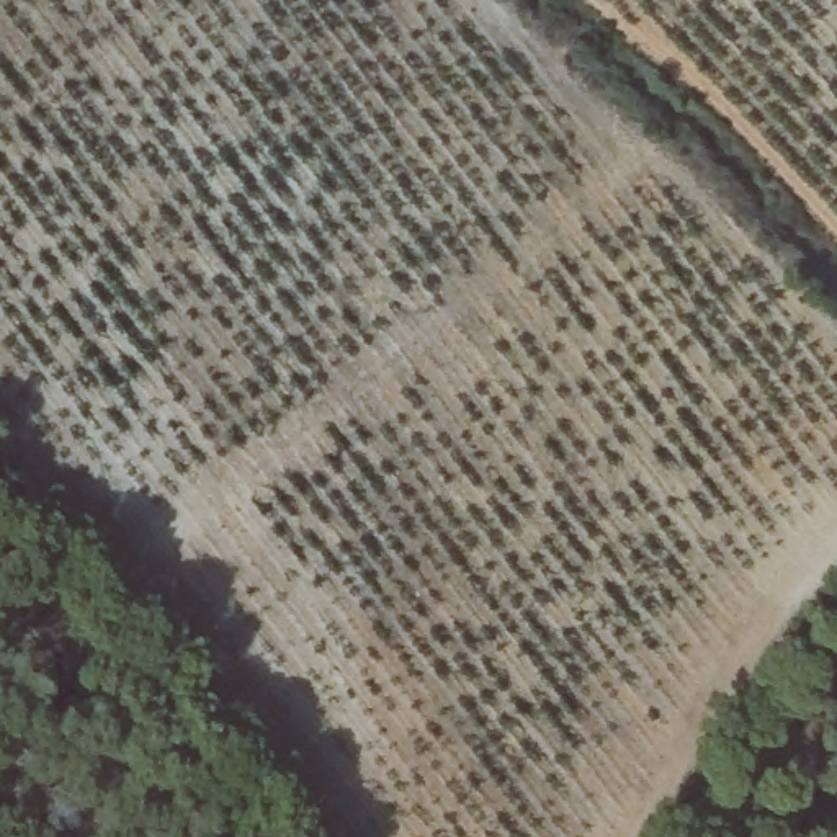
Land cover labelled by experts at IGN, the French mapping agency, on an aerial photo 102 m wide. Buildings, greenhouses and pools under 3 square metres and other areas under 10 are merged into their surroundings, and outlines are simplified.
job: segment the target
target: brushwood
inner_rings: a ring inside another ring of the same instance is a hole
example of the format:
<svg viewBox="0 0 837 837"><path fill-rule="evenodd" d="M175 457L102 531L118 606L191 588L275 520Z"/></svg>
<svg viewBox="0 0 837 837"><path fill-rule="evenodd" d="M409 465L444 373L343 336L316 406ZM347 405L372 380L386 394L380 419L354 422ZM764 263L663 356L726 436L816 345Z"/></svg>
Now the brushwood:
<svg viewBox="0 0 837 837"><path fill-rule="evenodd" d="M680 78L677 65L651 59L641 46L624 39L624 33L618 33L611 20L595 13L598 0L510 0L523 26L536 29L549 46L566 46L566 69L572 75L579 75L624 121L641 124L644 137L674 154L703 186L713 186L723 209L785 265L785 278L794 291L801 291L804 304L814 304L824 314L837 317L837 239L811 216L804 199L755 154L755 147L732 128L732 121L706 101L703 92Z"/></svg>

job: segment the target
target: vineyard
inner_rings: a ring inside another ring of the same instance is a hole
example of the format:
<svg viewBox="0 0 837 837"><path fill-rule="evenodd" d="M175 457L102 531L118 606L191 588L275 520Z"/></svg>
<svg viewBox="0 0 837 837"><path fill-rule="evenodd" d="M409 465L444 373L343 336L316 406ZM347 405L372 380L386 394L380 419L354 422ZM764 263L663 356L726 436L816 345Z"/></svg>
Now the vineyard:
<svg viewBox="0 0 837 837"><path fill-rule="evenodd" d="M755 147L755 154L804 199L811 216L837 239L837 0L598 0L595 13L611 20L618 33L624 33L624 39L641 46L651 59L677 65L680 78L703 92L706 101L732 121L732 128Z"/></svg>
<svg viewBox="0 0 837 837"><path fill-rule="evenodd" d="M163 608L170 624L186 624L193 638L206 638L213 670L209 687L219 696L216 716L209 723L232 726L245 739L262 736L271 752L271 772L294 775L294 798L307 801L317 811L317 824L327 837L641 837L644 821L657 811L660 801L680 791L683 778L696 765L703 719L713 716L709 696L736 690L736 674L759 664L765 647L781 638L798 608L817 595L827 569L837 566L837 317L824 314L814 304L804 304L801 291L794 291L785 278L785 265L723 209L713 186L703 186L674 154L644 137L641 124L624 121L579 75L572 75L566 69L566 46L549 46L536 29L523 26L510 0L0 0L0 422L7 422L7 435L16 438L10 464L20 477L29 477L43 490L59 494L65 500L85 500L105 510L108 523L98 523L95 533L101 539L101 559L114 569L114 575L124 585L124 602Z"/></svg>

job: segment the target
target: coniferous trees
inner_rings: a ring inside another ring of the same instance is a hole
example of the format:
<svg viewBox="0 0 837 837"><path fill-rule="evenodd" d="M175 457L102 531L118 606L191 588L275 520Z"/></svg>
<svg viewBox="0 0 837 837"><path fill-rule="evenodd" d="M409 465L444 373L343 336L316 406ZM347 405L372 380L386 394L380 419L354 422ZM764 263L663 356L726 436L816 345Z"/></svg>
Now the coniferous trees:
<svg viewBox="0 0 837 837"><path fill-rule="evenodd" d="M781 638L765 647L759 664L736 674L736 690L709 696L713 716L703 719L696 765L683 778L680 791L660 801L657 811L644 821L641 837L837 837L837 566L827 569L817 595L798 608Z"/></svg>
<svg viewBox="0 0 837 837"><path fill-rule="evenodd" d="M317 811L307 801L294 798L294 775L271 772L271 752L262 736L245 739L232 726L209 723L216 716L219 696L209 687L213 670L206 638L193 638L186 624L170 624L163 608L124 602L124 585L114 575L114 569L101 559L101 539L95 533L98 523L108 523L105 510L85 500L65 500L59 494L43 490L29 477L20 477L10 464L16 438L7 435L7 422L0 422L0 837L327 837L317 824Z"/></svg>

